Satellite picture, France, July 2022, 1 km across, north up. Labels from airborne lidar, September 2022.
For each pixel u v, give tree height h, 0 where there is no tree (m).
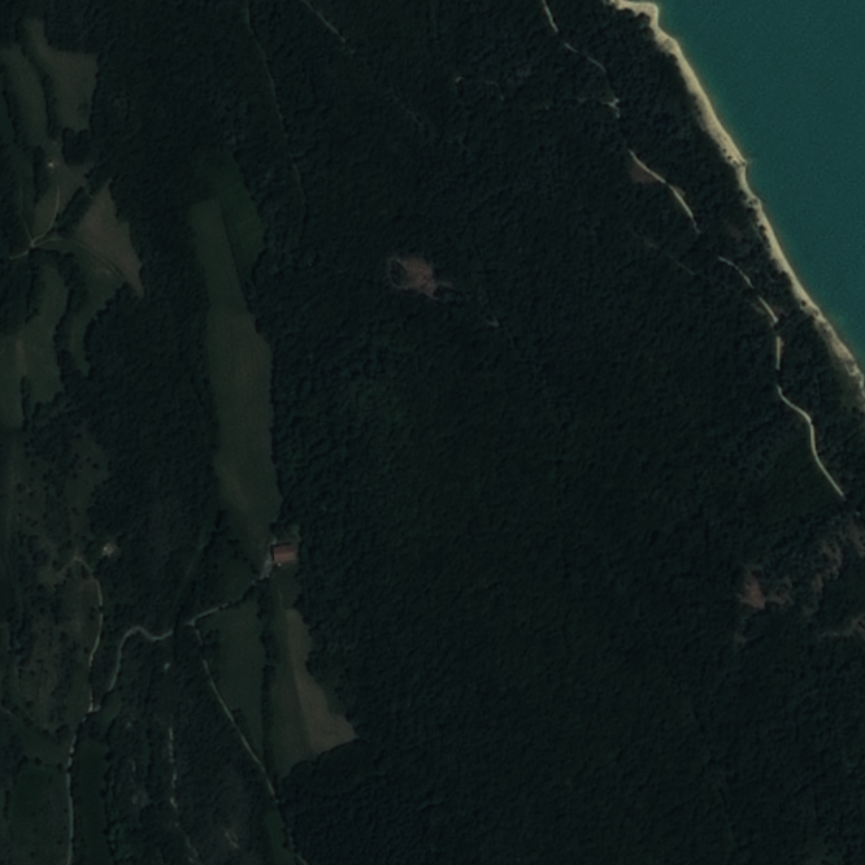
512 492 19
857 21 0
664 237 24
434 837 25
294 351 19
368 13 15
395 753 18
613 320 13
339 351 22
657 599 20
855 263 0
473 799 13
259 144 10
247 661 0
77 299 17
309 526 9
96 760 0
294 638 0
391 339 12
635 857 22
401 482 11
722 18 0
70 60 0
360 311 17
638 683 24
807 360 5
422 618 12
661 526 17
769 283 20
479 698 14
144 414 18
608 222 21
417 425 20
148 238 13
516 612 16
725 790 17
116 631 8
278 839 0
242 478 0
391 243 19
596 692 15
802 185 0
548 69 27
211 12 21
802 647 9
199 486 18
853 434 24
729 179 14
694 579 23
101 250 0
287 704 0
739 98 0
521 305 19
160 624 8
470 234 14
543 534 20
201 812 9
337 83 23
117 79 14
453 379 25
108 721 0
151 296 6
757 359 32
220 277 0
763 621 27
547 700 15
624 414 21
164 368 14
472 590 17
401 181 19
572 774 20
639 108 22
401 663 12
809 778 17
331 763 11
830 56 0
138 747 11
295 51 15
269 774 7
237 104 13
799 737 19
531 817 12
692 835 16
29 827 0
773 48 0
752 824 16
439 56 17
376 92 13
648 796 19
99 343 16
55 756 0
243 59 17
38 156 9
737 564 23
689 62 0
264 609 12
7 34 10
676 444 17
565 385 17
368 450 14
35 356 0
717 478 7
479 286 23
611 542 19
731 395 17
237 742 10
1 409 0
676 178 18
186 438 18
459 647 13
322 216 17
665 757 19
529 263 13
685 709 21
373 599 12
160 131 18
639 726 18
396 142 21
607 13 8
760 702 21
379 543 13
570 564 21
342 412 14
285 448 20
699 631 25
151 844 10
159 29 22
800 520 13
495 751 12
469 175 17
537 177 15
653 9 0
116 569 10
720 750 17
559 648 21
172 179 17
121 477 15
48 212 0
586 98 8
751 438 17
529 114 13
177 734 6
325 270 11
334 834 19
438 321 18
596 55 19
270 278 24
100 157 6
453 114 17
